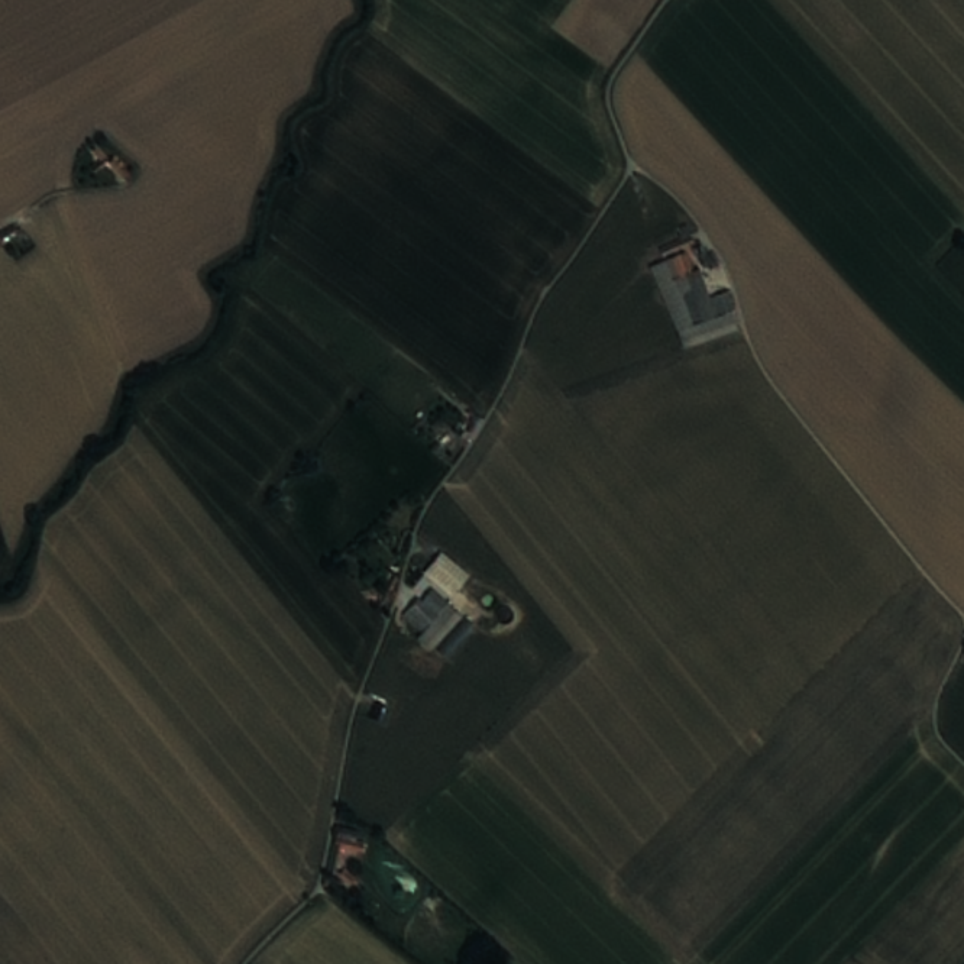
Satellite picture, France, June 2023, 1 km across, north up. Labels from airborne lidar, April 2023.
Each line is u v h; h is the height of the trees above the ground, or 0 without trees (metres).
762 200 0
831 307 0
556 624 0
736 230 0
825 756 0
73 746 0
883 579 0
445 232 0
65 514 0
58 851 0
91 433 0
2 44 0
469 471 0
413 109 0
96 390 0
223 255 0
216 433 0
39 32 0
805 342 0
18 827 0
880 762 0
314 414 0
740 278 0
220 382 0
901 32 0
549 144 0
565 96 0
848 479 0
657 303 0
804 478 0
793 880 0
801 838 0
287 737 0
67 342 0
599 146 0
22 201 0
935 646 0
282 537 0
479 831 0
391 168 0
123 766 0
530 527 0
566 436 0
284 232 0
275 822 0
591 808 0
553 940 0
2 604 0
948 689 0
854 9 0
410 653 0
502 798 0
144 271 0
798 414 0
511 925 0
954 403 0
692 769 0
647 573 0
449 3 0
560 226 0
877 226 0
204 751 0
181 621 0
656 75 0
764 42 0
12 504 0
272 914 0
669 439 0
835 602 0
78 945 0
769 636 0
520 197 0
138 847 0
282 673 0
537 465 0
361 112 0
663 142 0
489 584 0
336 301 0
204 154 0
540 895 0
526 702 0
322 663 0
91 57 0
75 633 0
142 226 0
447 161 0
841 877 0
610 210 0
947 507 0
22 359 0
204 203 0
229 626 0
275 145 0
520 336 0
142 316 0
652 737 0
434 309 0
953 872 0
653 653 0
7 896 0
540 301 0
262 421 0
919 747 0
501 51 0
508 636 0
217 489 0
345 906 9
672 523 0
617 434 0
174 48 0
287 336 0
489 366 0
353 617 0
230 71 0
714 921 0
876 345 0
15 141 0
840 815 0
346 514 0
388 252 0
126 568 0
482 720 0
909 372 0
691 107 0
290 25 0
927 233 0
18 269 0
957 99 0
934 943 0
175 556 0
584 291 0
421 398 0
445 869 0
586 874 0
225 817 0
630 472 0
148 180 0
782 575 0
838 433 0
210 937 0
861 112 0
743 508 0
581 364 0
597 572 0
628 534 0
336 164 0
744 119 0
